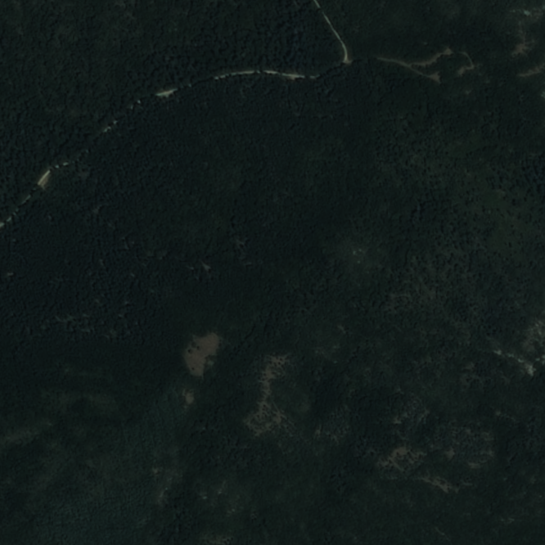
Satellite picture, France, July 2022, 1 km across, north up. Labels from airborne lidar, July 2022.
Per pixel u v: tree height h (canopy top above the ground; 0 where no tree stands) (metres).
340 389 17
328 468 14
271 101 18
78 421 9
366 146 13
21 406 10
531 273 6
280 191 6
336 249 6
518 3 7
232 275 16
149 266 13
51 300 22
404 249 19
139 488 7
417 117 6
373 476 7
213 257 22
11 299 23
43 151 16
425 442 10
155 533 11
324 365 13
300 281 10
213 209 14
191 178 14
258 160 15
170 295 12
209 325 6
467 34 15
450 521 6
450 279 10
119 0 8
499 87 10
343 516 7
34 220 21
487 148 17
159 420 10
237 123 16
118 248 21
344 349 9
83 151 20
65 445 6
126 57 18
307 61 40
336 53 19
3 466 12
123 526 12
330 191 11
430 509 6
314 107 14
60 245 17
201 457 15
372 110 14
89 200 19
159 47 18
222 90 14
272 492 6
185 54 11
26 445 9
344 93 17
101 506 11
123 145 19
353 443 17
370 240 6
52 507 7
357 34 7
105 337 14
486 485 11
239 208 19
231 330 7
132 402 11
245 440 9
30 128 29
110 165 19
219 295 15
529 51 6
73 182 11
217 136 14
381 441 12
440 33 10
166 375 7
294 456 10
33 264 18
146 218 12
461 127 13
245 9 22
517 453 16
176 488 13
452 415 6
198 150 12
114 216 13
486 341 12
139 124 19
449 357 6
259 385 9
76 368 7
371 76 15
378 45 11
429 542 8
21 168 19
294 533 6
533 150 12
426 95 14
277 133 16
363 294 19
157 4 19
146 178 10
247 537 8
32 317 21
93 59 18
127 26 18
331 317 13
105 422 6
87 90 16
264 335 10
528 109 11
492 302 10
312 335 8
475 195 6
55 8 16
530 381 12
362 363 12
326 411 9
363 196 17
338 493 19
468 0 7
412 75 10
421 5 13
